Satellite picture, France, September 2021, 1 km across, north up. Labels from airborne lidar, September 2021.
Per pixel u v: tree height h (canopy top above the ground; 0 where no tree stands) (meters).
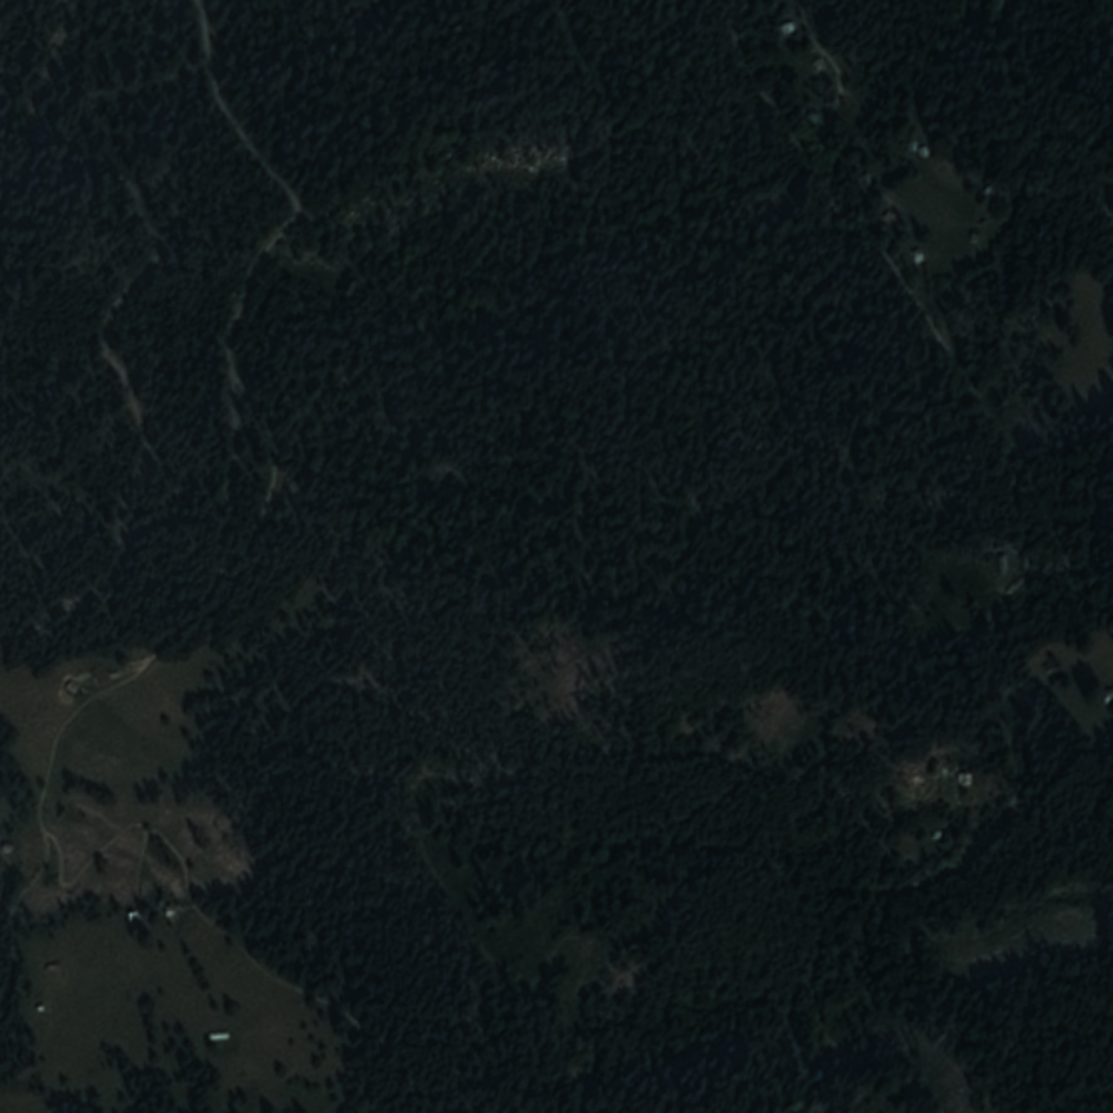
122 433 12
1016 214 11
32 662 22
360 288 13
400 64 15
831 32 24
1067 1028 24
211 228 10
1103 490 21
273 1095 0
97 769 0
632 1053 18
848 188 17
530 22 24
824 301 28
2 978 14
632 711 6
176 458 22
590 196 15
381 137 25
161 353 16
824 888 10
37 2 24
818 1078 19
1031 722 29
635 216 17
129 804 0
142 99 6
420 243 28
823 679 22
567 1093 27
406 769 31
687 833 28
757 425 14
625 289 28
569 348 25
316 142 31
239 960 0
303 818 25
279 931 24
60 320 13
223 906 25
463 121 14
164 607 18
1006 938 0
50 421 30
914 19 29
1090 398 0
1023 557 12
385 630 27
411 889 27
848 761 24
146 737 0
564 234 22
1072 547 29
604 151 26
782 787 27
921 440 27
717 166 23
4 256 27
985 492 23
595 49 24
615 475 31
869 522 19
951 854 10
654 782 20
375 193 26
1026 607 12
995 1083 12
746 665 22
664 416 25
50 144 12
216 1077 15
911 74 26
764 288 21
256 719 28
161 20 7
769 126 24
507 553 20
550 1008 27
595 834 18
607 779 22
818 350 19
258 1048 0
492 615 23
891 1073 34
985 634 29
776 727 0
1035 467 28
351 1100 19
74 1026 0
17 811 23
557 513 21
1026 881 31
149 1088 9
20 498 11
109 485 12
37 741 0
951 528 21
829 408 30
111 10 17
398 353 27
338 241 22
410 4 18
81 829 0
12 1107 0
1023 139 23
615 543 30
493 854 12
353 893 24
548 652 11
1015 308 31
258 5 7
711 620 27
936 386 30
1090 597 20
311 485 29
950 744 23
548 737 21
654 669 22
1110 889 29
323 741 26
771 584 23
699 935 31
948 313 19
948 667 15
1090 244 23
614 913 11
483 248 22
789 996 15
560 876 9
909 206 0
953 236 0
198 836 20
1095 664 0
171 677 0
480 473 17
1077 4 28
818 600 23
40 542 26
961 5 13
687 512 14
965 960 0
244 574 25
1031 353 23
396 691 25
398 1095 22
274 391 14
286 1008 0
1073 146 22
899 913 21
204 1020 0
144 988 0
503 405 29
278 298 19
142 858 0
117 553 25
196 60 24
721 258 14
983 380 24
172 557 27
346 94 15
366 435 11
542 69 32
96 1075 0
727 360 18
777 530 12
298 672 25
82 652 14
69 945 0
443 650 23
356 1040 19
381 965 29
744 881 28
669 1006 17
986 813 11
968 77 30
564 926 12
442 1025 20
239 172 17
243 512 18
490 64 16
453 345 17
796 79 18
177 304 26
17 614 21
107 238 13
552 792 26
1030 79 29
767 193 33
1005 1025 35
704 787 24
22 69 8
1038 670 0
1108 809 31
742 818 29
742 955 18
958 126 19
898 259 14
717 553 27
